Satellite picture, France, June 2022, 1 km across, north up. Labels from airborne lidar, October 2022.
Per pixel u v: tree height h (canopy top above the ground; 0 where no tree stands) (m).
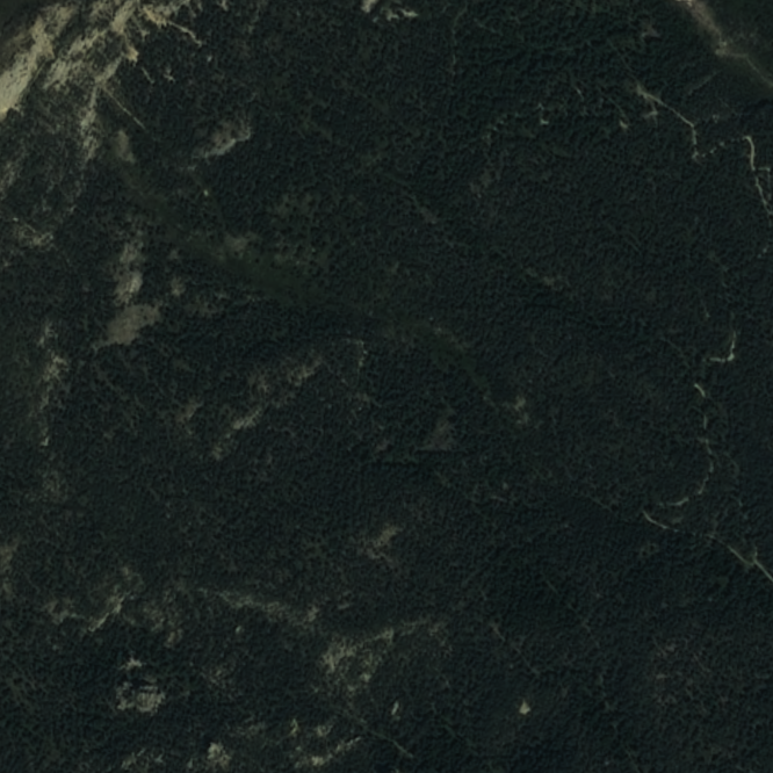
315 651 12
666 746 13
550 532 13
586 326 16
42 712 12
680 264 16
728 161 13
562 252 8
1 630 16
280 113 11
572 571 15
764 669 16
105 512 8
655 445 15
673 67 11
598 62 20
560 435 11
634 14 9
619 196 13
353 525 12
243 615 11
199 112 8
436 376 16
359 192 11
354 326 7
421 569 13
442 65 11
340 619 14
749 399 10
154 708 6
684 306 10
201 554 15
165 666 22
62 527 8
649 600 14
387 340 9
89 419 12
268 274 0
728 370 10
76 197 10
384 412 12
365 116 6
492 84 21
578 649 12
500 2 18
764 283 13
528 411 8
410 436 18
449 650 12
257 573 8
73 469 14
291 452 18
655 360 14
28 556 16
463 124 16
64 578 14
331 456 16
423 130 6
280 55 13
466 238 19
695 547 7
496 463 20
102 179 14
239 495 18
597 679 24
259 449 20
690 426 15
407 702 15
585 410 19
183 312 7
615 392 13
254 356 15
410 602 9
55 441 14
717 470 11
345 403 14
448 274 6
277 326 17
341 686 8
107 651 10
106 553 13
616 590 13
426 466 17
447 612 14
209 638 13
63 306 8
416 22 13
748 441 12
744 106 7
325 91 15
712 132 12
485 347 9
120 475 14
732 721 14
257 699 15
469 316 7
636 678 8
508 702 12
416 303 12
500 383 11
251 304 8
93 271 6
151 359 13
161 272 10
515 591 17
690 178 20
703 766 13
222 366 13
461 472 15
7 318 11
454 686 8
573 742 14
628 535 9
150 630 26
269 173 9
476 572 17
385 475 15
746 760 15
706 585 11
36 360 9
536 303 12
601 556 11
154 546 13
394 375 14
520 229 15
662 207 8
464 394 17
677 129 10
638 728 6
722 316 11
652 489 17
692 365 15
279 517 17
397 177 10
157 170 8
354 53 7
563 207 12
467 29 11
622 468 15
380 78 8
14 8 0
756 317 16
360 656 9
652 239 12
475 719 13
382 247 7
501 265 12
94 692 14
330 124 15
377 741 8
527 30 13
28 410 8
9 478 12
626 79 15
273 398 11
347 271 10
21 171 8
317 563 12
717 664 12
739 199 15
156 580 9
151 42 7
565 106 6
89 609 9
